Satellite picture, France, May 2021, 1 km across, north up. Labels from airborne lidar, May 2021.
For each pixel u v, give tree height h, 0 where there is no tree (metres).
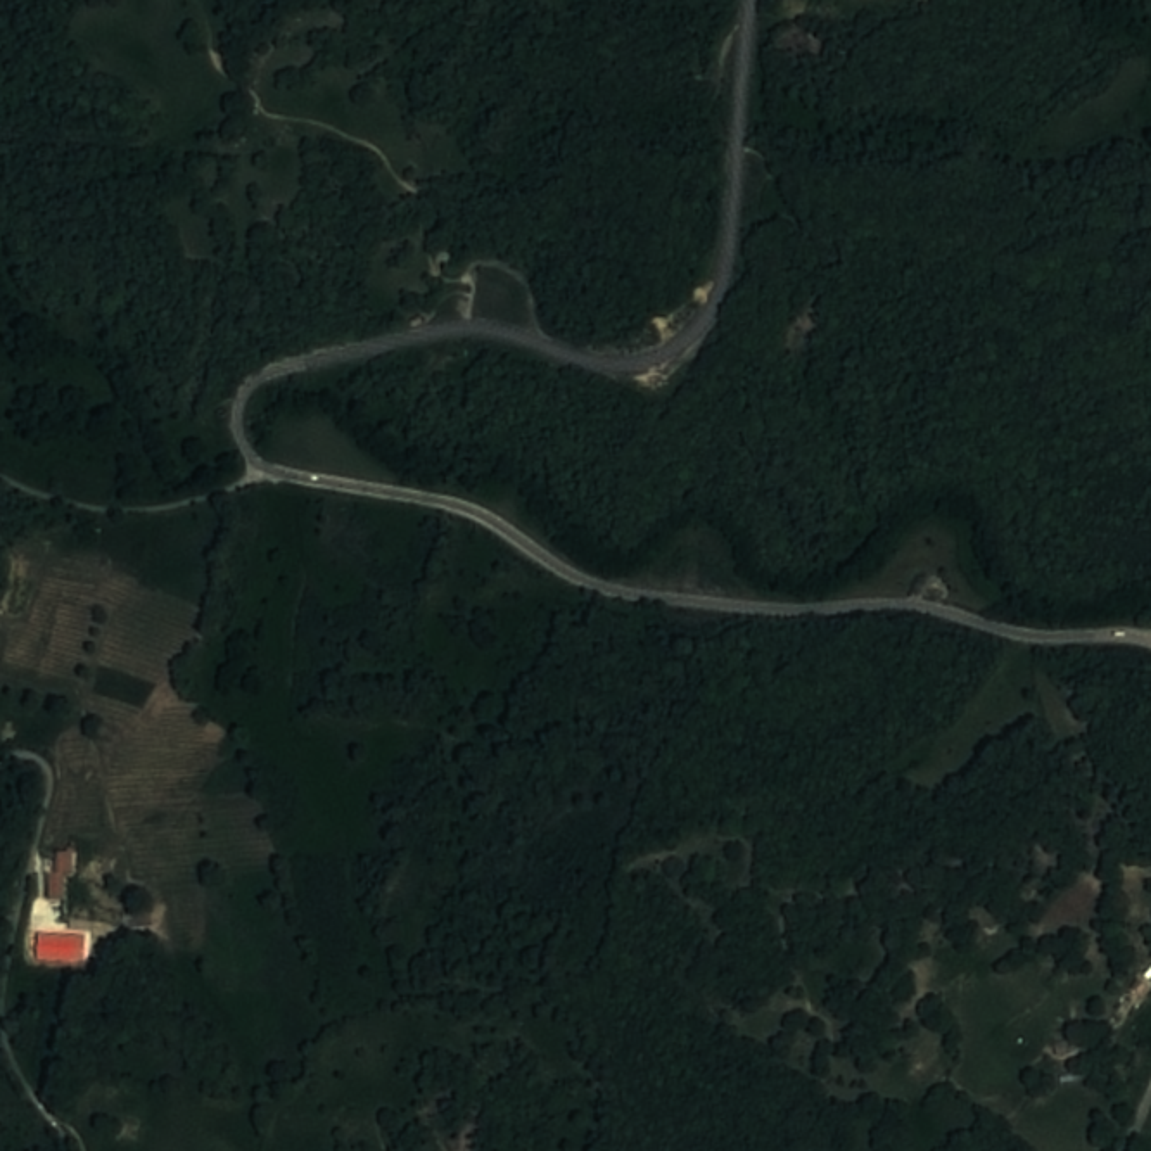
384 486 0
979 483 16
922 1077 0
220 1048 18
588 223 17
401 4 10
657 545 21
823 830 12
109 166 13
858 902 13
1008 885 17
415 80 13
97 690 0
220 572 13
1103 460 10
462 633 9
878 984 10
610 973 14
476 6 10
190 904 0
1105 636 0
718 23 9
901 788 13
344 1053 0
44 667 0
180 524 0
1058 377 14
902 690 11
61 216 9
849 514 15
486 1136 11
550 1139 8
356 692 21
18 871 13
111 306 15
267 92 0
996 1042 0
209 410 13
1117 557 6
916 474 14
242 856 0
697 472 12
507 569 7
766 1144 11
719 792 13
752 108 0
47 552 0
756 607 0
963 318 8
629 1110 7
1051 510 12
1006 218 21
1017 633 0
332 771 0
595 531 10
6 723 0
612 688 13
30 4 10
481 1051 10
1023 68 10
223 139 10
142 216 9
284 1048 0
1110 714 13
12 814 16
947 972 0
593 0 11
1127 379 16
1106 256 14
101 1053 19
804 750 10
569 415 9
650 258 8
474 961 11
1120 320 18
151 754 0
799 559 17
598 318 10
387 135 0
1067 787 13
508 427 10
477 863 11
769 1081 14
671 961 11
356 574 0
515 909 9
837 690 16
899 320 7
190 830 0
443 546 11
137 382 18
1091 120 0
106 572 0
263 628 10
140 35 0
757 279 16
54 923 0
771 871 10
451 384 14
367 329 10
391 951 8
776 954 12
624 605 7
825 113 18
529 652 6
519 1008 14
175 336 11
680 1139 8
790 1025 13
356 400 13
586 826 0
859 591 0
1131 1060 14
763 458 8
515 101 9
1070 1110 0
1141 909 0
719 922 13
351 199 11
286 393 17
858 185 18
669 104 6
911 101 18
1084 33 15
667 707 14
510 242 11
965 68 14
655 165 11
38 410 16
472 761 23
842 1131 16
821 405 14
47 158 11
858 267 12
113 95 10
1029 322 13
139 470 14
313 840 0
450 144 0
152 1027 17
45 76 12
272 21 12
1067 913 0
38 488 0
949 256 11
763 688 15
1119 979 11
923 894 11
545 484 13
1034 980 0
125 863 0
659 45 8
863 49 14
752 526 24
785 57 17
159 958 20
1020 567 20
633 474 13
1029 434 15
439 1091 7
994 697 0
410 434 18
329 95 0
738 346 20
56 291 17
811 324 12
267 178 0
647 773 10
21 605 0
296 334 11
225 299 10
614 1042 7
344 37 9
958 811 16
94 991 22
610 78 11
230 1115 0
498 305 0
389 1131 7
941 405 10
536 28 8
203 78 0
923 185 17
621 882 11
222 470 18
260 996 0
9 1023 17
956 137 20
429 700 16
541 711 15
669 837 14
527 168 5
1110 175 12
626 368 0
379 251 15
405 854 12
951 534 0
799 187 19
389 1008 9
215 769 0
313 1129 0
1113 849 15
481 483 9
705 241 13
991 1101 0
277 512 0
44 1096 14
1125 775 18
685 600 0
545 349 0
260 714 0
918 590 6
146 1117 0
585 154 8
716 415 12
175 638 0
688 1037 14
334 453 0
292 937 0
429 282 7
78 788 0
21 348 15
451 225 18
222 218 13
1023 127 10
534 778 14
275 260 12
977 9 9
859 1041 16
